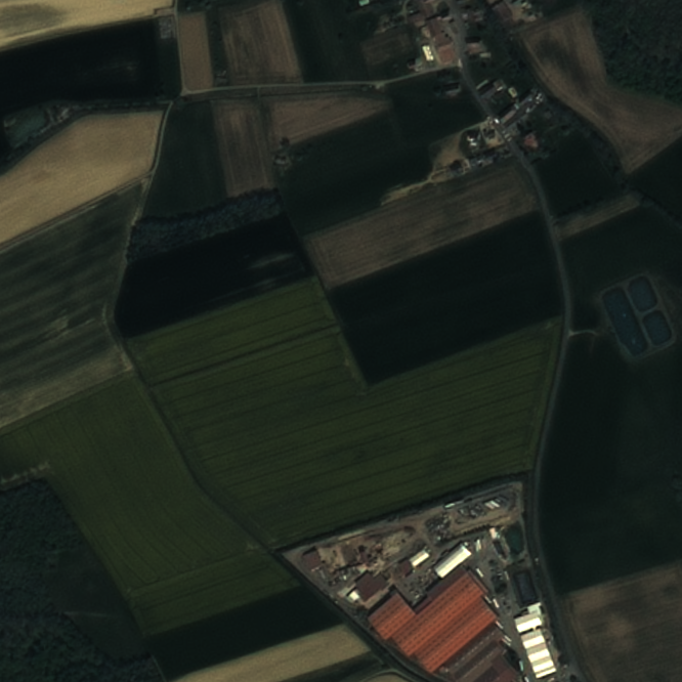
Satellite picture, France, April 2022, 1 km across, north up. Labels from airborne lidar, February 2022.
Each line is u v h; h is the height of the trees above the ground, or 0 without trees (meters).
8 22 0
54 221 0
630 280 0
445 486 0
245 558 0
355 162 0
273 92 0
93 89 0
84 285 0
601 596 0
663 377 0
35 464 0
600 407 0
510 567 0
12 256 0
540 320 0
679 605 0
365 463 0
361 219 0
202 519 0
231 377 0
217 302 0
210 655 0
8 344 0
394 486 0
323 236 0
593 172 0
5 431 0
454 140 0
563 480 0
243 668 0
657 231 0
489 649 0
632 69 21
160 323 0
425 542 0
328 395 0
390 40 0
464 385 0
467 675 0
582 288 0
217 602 0
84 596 0
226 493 0
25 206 0
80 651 26
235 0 0
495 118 0
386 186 0
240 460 0
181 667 0
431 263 0
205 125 0
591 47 0
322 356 0
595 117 0
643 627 0
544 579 0
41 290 0
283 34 0
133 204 0
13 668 20
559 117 15
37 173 0
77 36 0
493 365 0
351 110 0
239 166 0
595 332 0
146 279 0
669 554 0
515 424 0
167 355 0
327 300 0
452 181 0
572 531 0
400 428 0
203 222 15
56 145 0
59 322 0
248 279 0
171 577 0
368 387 0
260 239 0
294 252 0
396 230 0
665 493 0
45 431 0
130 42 0
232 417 0
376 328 0
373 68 0
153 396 0
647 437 0
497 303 0
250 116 0
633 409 0
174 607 0
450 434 0
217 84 0
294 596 0
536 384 0
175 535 0
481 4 11
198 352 0
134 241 12
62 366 0
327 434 0
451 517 0
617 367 0
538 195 0
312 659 0
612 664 0
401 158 0
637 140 0
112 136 0
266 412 0
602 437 0
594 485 0
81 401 0
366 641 0
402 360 0
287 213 0
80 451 0
